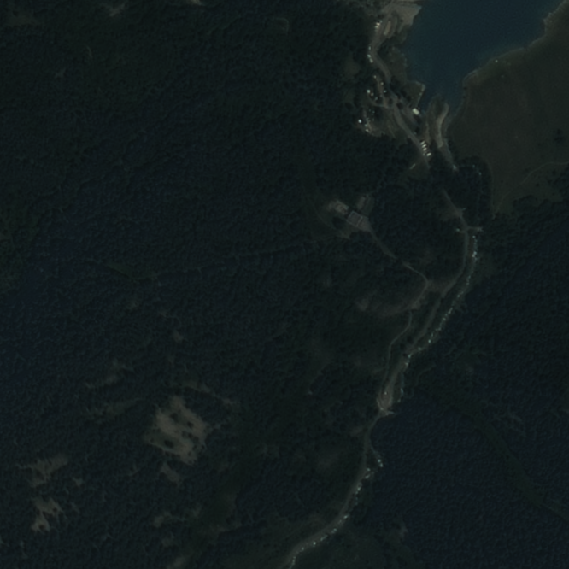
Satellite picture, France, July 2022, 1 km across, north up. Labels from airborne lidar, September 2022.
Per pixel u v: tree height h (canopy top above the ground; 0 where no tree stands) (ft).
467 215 21
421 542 91
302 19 51
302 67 79
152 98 71
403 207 74
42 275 134
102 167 88
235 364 24
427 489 105
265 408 72
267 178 67
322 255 48
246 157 94
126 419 76
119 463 68
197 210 75
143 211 106
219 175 78
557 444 79
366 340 25
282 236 99
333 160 66
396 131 0
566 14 0
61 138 71
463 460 67
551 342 74
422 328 20
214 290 93
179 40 27
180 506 79
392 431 81
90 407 65
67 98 60
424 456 87
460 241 23
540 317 81
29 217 30
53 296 95
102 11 43
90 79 27
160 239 98
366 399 24
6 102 52
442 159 22
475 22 0
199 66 77
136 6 42
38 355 57
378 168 36
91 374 42
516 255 59
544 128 0
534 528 118
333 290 22
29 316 87
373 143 32
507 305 88
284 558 0
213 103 76
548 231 31
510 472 30
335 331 25
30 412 77
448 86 0
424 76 0
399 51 0
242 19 56
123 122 71
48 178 73
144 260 66
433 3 0
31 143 72
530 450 97
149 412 56
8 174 70
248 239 95
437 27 0
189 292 76
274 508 78
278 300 98
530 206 18
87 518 102
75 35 34
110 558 83
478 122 0
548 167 0
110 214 53
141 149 89
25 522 77
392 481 93
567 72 0
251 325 23
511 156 0
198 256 88
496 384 89
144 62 22
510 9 0
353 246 47
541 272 89
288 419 23
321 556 0
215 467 21
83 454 73
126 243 99
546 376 68
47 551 91
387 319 20
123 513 55
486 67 0
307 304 66
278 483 72
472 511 90
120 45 21
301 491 55
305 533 18
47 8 57
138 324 97
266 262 92
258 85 66
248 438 28
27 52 71
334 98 70
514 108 0
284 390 74
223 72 98
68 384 117
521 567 75
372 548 0
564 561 81
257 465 24
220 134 99
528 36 0
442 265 21
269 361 76
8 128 81
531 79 0
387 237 54
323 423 22
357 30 32
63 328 77
